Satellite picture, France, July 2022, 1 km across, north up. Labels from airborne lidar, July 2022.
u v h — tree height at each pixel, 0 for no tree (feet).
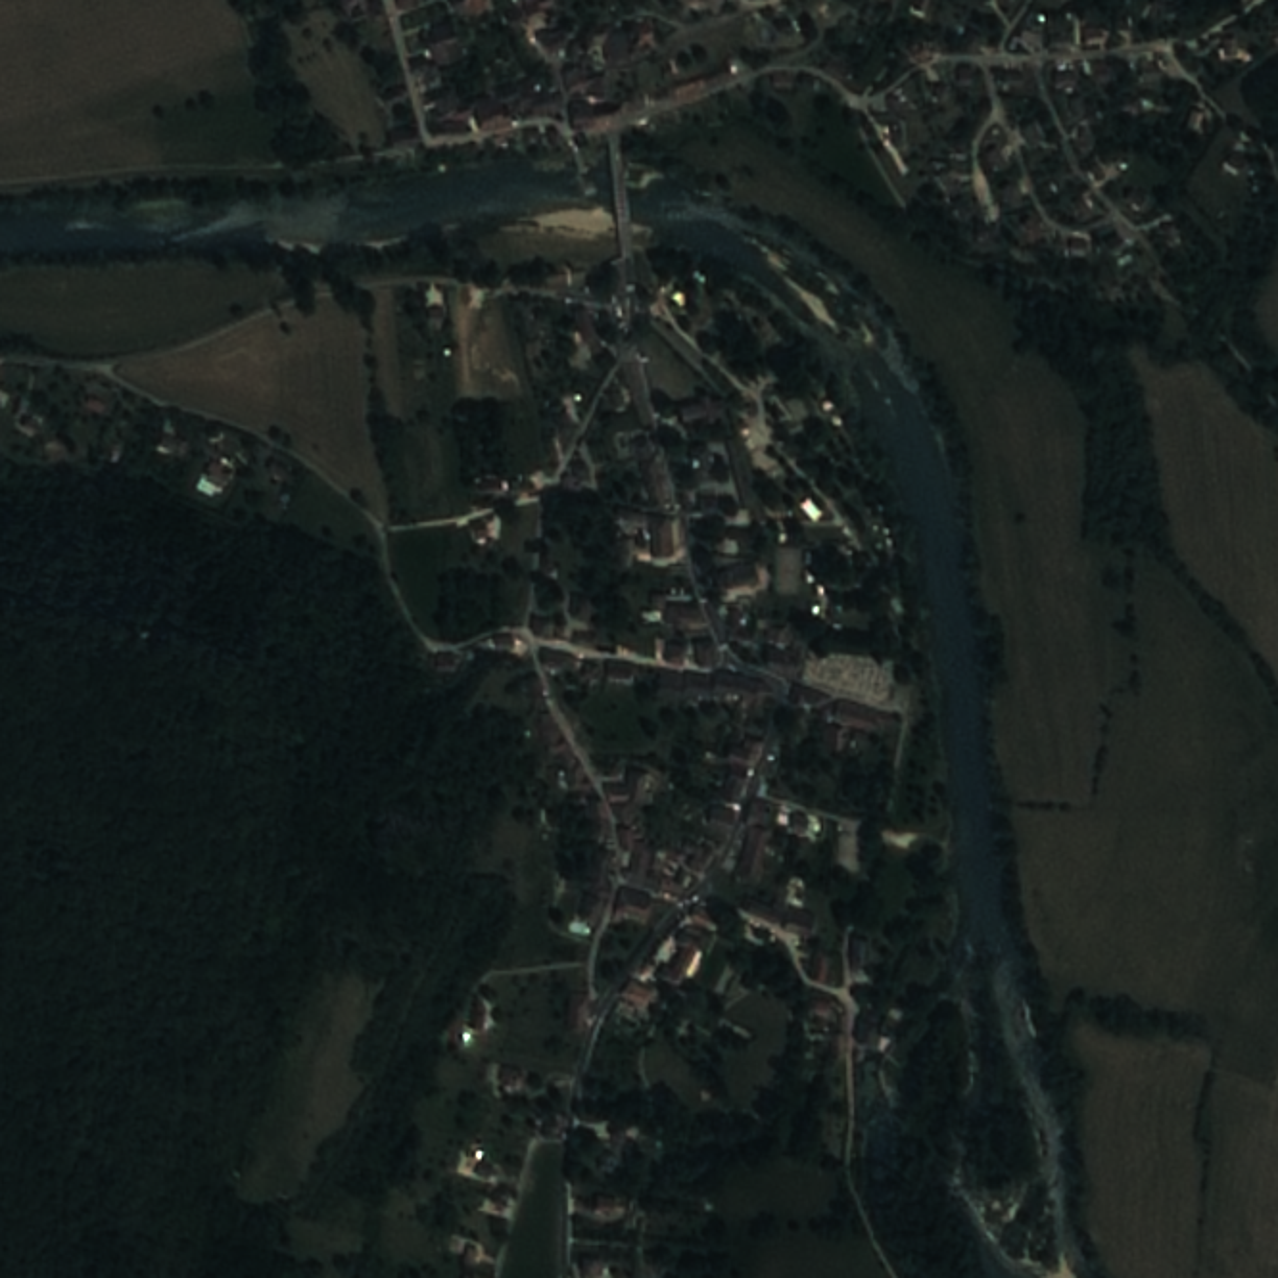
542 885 0
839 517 0
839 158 0
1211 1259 0
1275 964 0
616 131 0
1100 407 28
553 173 0
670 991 55
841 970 0
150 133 0
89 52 0
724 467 52
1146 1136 0
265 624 62
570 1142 39
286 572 60
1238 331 20
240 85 0
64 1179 42
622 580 27
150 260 34
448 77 26
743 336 88
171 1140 22
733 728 19
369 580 37
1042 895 0
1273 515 0
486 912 31
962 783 0
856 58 28
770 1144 59
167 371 0
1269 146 36
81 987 49
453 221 0
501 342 0
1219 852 0
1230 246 29
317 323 0
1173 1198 0
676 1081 0
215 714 56
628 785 0
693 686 0
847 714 0
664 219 0
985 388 0
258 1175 0
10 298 0
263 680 55
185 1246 40
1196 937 0
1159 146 21
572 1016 0
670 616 0
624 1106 61
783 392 37
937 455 0
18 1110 65
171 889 45
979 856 0
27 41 0
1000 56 0
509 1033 0
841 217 0
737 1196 0
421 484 0
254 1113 31
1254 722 0
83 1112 43
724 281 45
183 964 24
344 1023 0
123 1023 22
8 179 0
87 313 0
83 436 0
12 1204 60
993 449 0
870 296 36
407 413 0
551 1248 0
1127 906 0
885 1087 0
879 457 50
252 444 22
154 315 0
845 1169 24
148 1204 23
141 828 52
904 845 0
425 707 19
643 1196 23
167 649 47
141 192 50
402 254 40
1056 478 0
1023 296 66
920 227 30
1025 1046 0
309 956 49
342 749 89
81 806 50
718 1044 28
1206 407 0
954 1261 60
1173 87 34
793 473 31
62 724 72
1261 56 28
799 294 0
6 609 53
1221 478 0
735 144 0
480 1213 0
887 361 0
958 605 0
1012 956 0
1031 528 0
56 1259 46
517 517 49
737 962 48
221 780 52
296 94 84
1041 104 17
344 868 49
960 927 0
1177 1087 0
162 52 0
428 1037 25
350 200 0
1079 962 0
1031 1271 0
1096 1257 39
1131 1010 65
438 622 42
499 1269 0
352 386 0
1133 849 0
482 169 0
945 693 0
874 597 54
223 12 0
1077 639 0
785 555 0
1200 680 0
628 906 0
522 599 0
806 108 0
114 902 48
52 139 0
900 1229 60
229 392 0
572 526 23
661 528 0
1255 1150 0
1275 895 0
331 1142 21
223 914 48
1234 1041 0
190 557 36
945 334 0
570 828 26
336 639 28
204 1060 40
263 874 30
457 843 22
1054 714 0
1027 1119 108
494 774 39
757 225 50
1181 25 29
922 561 0
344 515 0
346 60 0
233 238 0
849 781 48
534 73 23
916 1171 80
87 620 52
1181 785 0
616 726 0
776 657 0
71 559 103
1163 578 0
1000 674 24
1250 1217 0
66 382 18
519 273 44
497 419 36
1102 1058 0
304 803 83
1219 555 0
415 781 60
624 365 0
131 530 21
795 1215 0
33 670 65
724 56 24
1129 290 36
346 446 0
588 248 0
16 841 60
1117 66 40
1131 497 52
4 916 66
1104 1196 0
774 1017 0
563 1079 0
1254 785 0
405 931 41
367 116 0
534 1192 0
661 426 0
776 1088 28
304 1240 0
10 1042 51
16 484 28
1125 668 0
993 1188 45
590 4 22
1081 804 0
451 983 31
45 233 0
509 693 21
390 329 0
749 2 0
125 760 62
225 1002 51
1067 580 0
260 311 0
